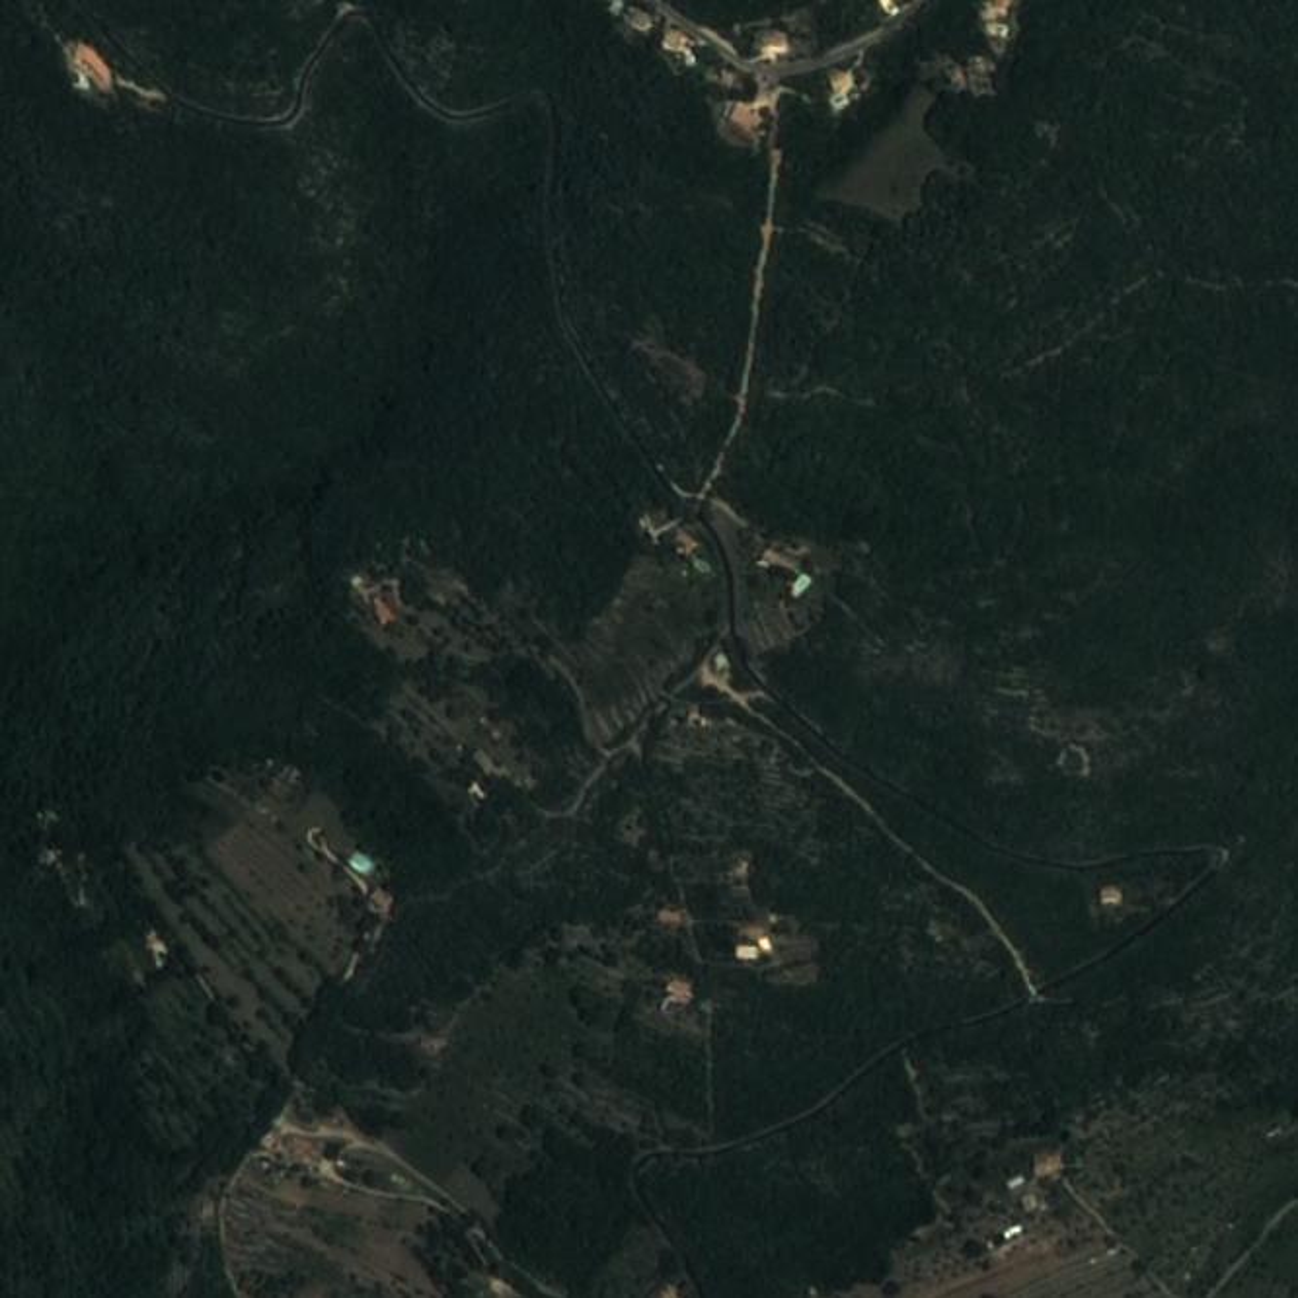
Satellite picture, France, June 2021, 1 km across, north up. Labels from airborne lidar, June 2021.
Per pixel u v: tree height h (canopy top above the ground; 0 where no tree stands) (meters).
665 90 8
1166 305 6
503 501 9
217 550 13
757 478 8
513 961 9
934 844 7
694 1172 7
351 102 8
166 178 6
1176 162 8
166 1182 6
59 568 13
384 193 6
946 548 7
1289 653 6
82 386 11
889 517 9
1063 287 6
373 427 14
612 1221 7
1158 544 6
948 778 8
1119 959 8
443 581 0
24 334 6
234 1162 6
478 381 6
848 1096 7
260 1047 8
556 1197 7
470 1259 9
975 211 6
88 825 14
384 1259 0
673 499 8
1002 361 7
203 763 12
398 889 9
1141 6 6
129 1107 9
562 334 6
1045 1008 6
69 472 9
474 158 5
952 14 8
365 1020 9
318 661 10
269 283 5
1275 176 7
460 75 6
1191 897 7
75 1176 9
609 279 6
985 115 12
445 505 7
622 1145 8
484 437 7
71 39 7
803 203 6
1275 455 6
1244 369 7
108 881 11
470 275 7
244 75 7
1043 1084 9
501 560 7
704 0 7
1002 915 6
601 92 7
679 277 7
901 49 6
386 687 12
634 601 0
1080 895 7
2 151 10
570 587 10
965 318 6
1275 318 6
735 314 7
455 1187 0
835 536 6
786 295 8
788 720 6
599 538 10
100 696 7
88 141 8
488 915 7
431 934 7
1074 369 6
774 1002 6
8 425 8
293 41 6
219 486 11
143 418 8
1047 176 8
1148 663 7
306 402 7
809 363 6
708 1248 9
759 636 0
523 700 5
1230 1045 6
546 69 6
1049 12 10
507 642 8
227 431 7
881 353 7
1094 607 6
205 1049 8
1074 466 9
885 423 7
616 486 12
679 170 7
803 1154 9
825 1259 11
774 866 6
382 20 8
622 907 10
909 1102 10
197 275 8
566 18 11
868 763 7
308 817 0
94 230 6
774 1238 9
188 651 8
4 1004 8
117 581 8
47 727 9
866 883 6
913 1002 8
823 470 8
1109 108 7
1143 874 7
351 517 6
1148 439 5
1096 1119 8
